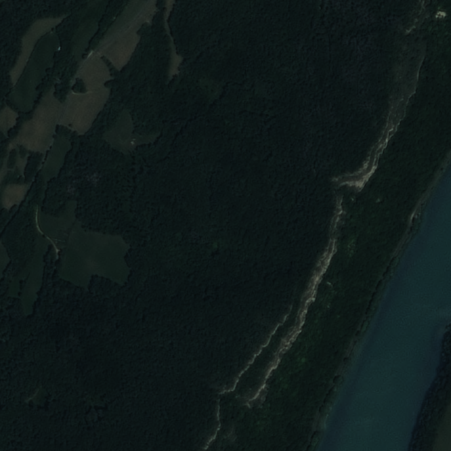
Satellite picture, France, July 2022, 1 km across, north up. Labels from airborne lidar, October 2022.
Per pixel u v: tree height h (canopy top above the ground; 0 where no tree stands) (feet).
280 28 32
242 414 59
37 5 32
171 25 62
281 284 38
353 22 46
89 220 30
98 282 63
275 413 62
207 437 20
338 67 47
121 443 75
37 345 64
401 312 0
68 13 35
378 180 58
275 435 46
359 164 22
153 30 31
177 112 31
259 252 53
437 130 56
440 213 0
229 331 38
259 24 64
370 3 45
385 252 55
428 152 52
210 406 31
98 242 0
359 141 25
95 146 48
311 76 59
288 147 43
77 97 0
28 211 46
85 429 80
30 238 51
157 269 37
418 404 0
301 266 52
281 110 52
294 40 39
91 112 0
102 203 20
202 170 58
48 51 0
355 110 33
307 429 70
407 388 0
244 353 20
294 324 35
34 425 55
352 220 59
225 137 58
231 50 22
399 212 51
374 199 28
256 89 34
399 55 22
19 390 52
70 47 45
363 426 0
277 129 53
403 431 0
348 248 25
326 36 39
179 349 43
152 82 25
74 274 0
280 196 53
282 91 46
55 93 24
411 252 0
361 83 45
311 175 39
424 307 0
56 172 0
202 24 53
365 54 45
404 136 64
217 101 30
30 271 0
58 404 80
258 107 32
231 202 66
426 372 0
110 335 78
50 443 73
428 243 0
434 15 68
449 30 46
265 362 30
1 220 49
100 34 38
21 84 0
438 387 93
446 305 0
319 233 27
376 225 51
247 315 40
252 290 52
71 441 58
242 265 47
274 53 48
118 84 54
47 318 68
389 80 26
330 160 37
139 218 63
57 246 0
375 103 28
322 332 36
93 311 54
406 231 52
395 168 52
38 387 59
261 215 76
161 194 63
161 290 44
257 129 48
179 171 59
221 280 61
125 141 0
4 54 46
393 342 0
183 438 54
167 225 66
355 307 57
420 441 88
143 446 44
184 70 56
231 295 64
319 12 37
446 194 0
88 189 51
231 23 35
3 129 0
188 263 48
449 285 0
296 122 48
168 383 57
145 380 46
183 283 58
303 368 63
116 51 0
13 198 0
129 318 82
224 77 38
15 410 74
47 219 0
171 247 58
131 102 51
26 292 0
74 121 0
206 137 49
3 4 38
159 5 48
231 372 27
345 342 52
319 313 45
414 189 60
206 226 43
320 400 53
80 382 71
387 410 0
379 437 0
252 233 71
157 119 22
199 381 41
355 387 0
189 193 48
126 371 47
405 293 0
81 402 57
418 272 0
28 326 64
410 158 45
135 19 0
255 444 51
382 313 0
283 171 56
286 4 48
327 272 49
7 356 57
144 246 38
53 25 0
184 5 47
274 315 21
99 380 55
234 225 61
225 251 56
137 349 46
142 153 41
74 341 85
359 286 37
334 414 0
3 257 0
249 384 30
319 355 51
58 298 70
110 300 58
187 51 45
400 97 18
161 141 51
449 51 50
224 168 53
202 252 41
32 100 0
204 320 42
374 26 44
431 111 64
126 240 41
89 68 0
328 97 42
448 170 0
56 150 0
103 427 93
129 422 58
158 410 46
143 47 26
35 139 0
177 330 52
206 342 41
